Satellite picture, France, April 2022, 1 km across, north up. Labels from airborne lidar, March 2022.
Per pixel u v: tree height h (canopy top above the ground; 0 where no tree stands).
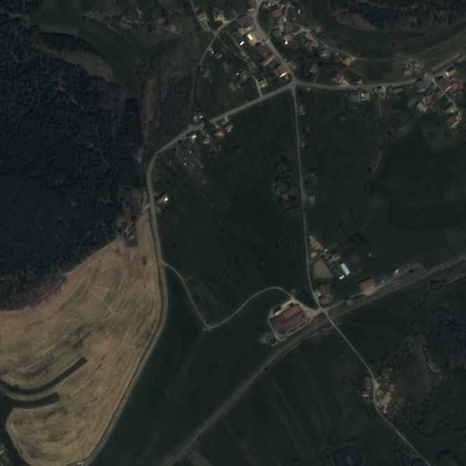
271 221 0
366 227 0
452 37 0
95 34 0
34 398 0
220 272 0
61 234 17
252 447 0
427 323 0
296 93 0
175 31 0
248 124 0
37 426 0
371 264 0
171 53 0
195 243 0
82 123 22
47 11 0
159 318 0
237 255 0
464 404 0
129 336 0
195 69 0
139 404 0
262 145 0
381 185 0
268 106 0
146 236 0
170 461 0
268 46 0
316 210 0
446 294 0
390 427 0
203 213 0
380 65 0
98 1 0
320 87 0
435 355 0
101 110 19
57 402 0
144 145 7
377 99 0
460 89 0
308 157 0
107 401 0
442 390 0
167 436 0
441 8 9
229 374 0
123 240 0
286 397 0
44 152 21
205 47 0
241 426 0
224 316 0
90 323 0
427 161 0
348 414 0
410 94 0
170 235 0
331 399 0
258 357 0
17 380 0
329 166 0
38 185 19
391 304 0
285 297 0
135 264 0
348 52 0
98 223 20
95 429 0
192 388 0
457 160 0
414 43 0
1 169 17
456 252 0
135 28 12
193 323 0
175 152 9
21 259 20
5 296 14
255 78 0
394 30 17
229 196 0
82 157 23
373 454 0
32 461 0
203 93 0
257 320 0
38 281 24
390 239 0
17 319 0
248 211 0
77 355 0
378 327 0
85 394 0
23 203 19
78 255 22
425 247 0
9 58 27
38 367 0
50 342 0
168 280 0
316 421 0
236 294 0
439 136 0
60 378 0
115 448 0
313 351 0
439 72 0
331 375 0
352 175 0
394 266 0
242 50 0
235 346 0
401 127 14
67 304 0
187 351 0
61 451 0
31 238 21
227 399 0
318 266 0
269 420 0
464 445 0
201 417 0
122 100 36
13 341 0
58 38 19
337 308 0
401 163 0
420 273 0
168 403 0
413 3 15
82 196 23
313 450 0
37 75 24
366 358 0
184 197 0
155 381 0
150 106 0
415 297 0
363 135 0
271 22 0
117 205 19
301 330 0
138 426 0
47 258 19
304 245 10
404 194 0
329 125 0
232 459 0
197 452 0
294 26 0
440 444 0
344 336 0
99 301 0
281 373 0
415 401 0
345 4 14
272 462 0
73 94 25
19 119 16
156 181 0
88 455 0
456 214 0
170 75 0
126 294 0
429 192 0
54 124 19
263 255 0
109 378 0
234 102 0
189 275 0
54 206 19
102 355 0
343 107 0
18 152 19
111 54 0
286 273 0
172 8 0
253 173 0
